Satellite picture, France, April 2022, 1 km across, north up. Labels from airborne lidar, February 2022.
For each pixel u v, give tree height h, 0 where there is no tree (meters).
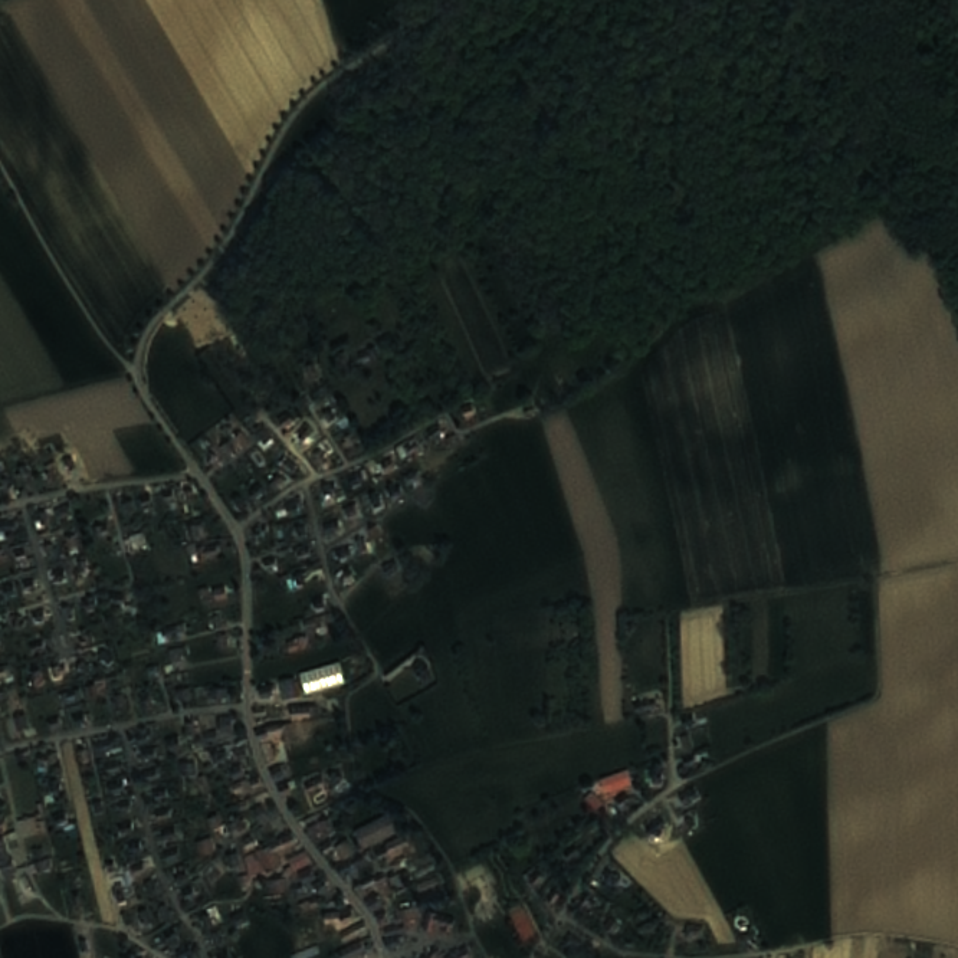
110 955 0
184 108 0
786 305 0
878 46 20
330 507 0
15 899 0
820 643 0
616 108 30
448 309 0
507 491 0
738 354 0
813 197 18
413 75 32
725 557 0
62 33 0
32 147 0
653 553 0
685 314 23
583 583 0
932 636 0
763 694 13
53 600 0
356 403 0
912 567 0
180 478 0
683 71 30
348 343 11
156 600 16
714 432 0
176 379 0
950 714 0
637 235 24
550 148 32
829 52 25
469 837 0
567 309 22
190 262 0
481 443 0
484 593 0
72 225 0
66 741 0
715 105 33
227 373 17
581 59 33
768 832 0
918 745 0
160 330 0
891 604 0
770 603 0
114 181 0
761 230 28
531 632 0
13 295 0
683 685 0
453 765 0
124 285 0
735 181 29
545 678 0
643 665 0
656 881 0
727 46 29
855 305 0
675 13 28
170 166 0
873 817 0
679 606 0
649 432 0
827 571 0
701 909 0
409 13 25
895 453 0
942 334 0
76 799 0
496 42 12
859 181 30
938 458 0
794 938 0
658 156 30
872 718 0
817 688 0
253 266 33
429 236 29
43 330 0
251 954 0
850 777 0
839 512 0
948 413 0
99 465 0
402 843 0
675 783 0
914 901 0
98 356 0
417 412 18
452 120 33
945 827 0
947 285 19
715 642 0
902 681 0
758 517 0
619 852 0
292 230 34
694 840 0
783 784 0
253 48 0
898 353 0
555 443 0
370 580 0
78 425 0
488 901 0
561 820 0
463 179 31
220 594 0
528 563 0
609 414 0
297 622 5
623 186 31
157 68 0
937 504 0
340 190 38
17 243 0
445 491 0
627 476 0
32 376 0
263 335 15
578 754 0
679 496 0
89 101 0
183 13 0
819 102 33
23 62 0
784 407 0
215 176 0
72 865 0
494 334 0
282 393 17
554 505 0
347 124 22
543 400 20
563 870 15
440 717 0
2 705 0
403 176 28
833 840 0
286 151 0
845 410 0
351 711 0
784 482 0
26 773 8
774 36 34
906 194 18
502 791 0
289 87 0
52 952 0
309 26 0
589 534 0
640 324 27
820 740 0
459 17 26
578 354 0
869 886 0
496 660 0
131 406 0
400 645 0
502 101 32
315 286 25
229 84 0
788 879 0
